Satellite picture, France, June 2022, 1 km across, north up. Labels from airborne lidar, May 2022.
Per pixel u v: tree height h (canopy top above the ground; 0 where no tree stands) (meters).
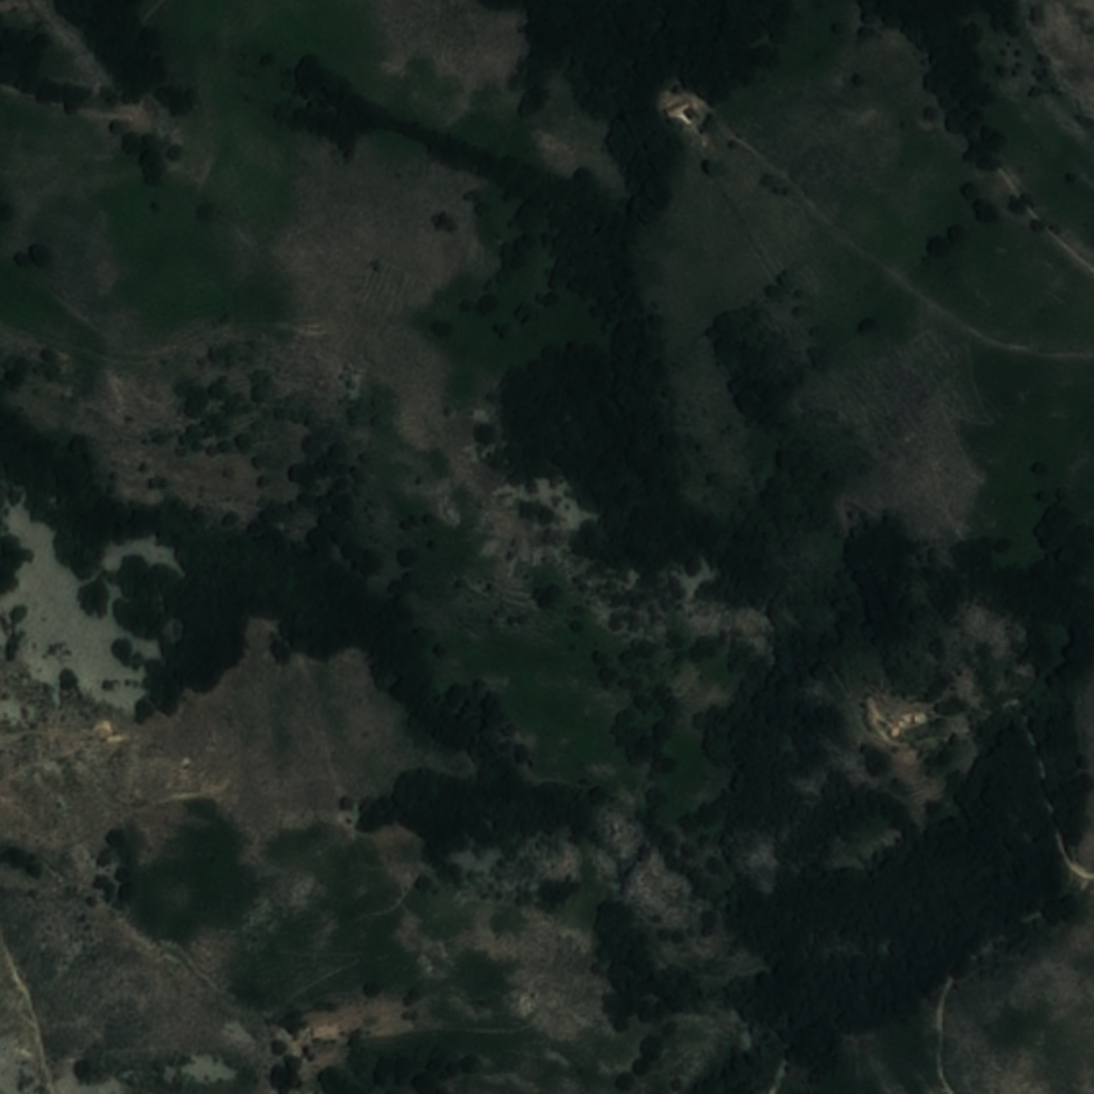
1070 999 0
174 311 0
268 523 12
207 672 12
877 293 0
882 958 7
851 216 0
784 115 0
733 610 7
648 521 21
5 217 18
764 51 14
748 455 0
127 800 0
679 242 0
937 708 11
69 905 0
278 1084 9
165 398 0
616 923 18
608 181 0
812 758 11
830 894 21
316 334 0
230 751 0
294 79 8
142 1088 0
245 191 0
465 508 0
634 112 25
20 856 17
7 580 15
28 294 0
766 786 15
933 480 0
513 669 0
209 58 0
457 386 0
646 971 16
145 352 0
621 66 18
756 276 0
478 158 19
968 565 9
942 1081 0
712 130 12
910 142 0
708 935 12
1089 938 0
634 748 12
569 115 0
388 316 0
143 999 0
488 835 10
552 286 14
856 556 15
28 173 0
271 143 0
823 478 8
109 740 0
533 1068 0
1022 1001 0
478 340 0
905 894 12
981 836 17
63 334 0
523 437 13
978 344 0
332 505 18
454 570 0
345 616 19
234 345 6
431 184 0
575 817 18
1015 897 12
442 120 0
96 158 0
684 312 0
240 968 0
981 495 0
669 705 14
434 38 0
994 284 0
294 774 0
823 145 0
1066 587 17
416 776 16
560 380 12
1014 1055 0
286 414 14
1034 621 14
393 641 21
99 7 18
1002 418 0
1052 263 0
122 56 20
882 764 14
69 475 27
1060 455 0
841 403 0
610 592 6
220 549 17
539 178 20
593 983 0
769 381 9
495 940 0
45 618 0
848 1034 7
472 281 0
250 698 0
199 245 0
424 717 18
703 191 0
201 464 0
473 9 0
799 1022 12
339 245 0
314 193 0
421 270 0
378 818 15
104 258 0
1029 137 0
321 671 0
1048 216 0
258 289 0
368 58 0
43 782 0
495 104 0
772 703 21
